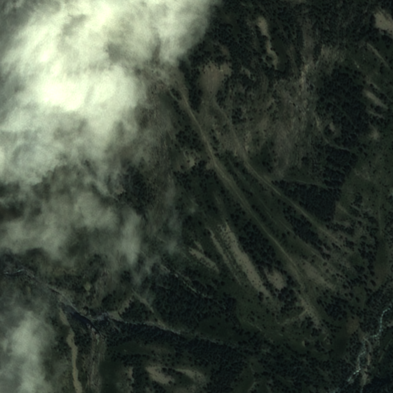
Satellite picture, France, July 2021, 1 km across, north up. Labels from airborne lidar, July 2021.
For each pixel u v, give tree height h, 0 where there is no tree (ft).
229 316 58
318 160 39
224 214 0
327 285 0
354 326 0
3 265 0
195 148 33
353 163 99
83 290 31
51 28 0
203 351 69
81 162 29
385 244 0
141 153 0
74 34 0
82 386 0
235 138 0
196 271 28
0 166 0
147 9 0
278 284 0
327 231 0
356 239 0
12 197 0
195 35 57
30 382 0
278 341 0
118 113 0
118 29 0
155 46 0
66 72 0
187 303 110
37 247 0
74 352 0
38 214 0
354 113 88
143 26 0
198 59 68
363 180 0
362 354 0
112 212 23
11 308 0
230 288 0
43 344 0
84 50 0
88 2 0
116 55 0
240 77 34
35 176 0
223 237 0
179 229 47
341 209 0
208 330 0
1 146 0
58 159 0
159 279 111
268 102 0
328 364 32
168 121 0
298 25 24
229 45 54
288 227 0
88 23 0
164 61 0
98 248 0
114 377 0
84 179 0
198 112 30
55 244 0
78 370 0
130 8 0
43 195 0
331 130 70
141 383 61
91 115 0
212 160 0
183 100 0
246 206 0
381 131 27
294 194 76
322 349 28
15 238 0
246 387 0
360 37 39
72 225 0
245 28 54
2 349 0
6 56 0
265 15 45
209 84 0
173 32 47
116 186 75
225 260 0
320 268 0
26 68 0
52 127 0
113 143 0
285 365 38
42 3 0
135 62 0
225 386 31
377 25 0
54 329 34
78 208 0
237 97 0
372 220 27
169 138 0
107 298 36
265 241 89
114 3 0
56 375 0
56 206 0
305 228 86
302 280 0
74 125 0
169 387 0
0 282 0
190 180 46
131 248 48
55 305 34
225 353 54
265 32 0
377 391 27
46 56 0
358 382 53
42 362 0
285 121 0
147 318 87
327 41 27
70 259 0
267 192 0
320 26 31
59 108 0
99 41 0
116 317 0
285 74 35
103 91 0
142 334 55
